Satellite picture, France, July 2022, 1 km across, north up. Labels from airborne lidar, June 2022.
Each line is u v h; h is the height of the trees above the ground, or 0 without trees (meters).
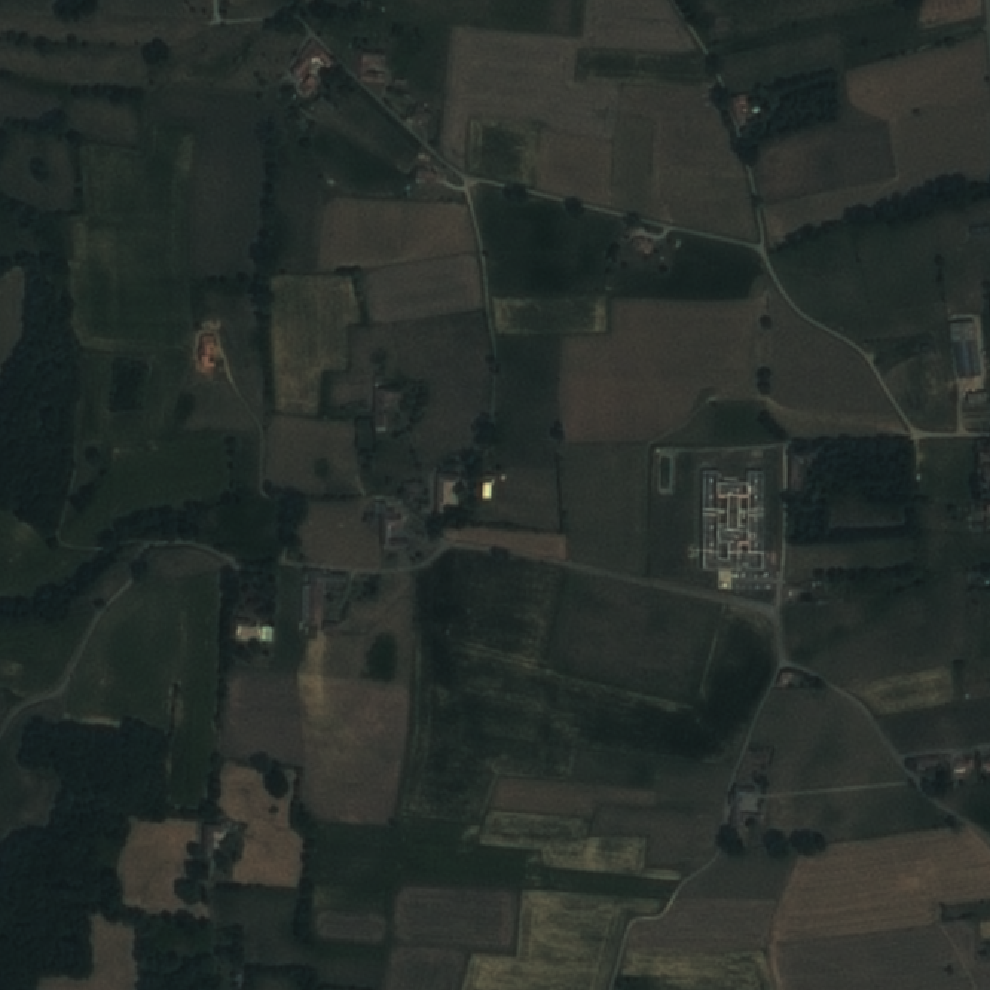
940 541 0
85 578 19
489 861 0
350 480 0
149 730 17
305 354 0
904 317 0
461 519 8
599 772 0
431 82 0
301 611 0
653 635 0
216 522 0
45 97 0
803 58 0
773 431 8
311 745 0
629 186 0
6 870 23
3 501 18
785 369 0
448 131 0
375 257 0
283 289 0
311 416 0
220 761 6
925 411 0
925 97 0
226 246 0
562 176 0
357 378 0
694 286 0
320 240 0
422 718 0
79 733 20
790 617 0
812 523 9
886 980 0
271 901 0
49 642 0
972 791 0
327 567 0
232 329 0
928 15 0
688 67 0
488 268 0
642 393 0
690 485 0
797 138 0
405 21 0
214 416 0
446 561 0
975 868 0
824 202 0
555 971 0
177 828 0
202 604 0
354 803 0
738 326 0
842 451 15
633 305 0
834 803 0
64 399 23
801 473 10
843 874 0
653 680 0
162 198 0
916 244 0
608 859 0
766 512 0
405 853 0
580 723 0
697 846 0
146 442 0
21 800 0
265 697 0
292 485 0
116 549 12
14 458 18
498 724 0
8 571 0
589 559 0
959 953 0
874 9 0
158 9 0
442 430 0
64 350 22
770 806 0
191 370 0
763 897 0
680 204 0
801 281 0
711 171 0
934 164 0
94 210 0
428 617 0
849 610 0
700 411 0
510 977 0
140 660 0
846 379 0
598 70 0
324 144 0
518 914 0
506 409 0
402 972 0
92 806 24
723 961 0
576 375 0
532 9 0
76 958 23
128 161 0
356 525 0
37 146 0
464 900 0
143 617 0
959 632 0
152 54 15
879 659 0
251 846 0
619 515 0
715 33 0
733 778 0
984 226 0
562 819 0
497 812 0
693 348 0
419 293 0
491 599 0
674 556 0
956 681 0
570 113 0
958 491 0
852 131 0
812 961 0
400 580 0
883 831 0
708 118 0
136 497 0
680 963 0
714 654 0
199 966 17
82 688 0
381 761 0
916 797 0
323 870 0
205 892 12
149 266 0
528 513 0
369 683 0
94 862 24
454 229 0
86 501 16
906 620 0
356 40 6
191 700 0
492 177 0
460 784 0
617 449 0
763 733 0
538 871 0
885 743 0
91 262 0
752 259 0
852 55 0
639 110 0
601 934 0
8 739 0
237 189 0
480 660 0
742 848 17
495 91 0
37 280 18
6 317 0
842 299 0
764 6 0
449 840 0
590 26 0
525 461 0
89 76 0
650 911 0
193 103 0
